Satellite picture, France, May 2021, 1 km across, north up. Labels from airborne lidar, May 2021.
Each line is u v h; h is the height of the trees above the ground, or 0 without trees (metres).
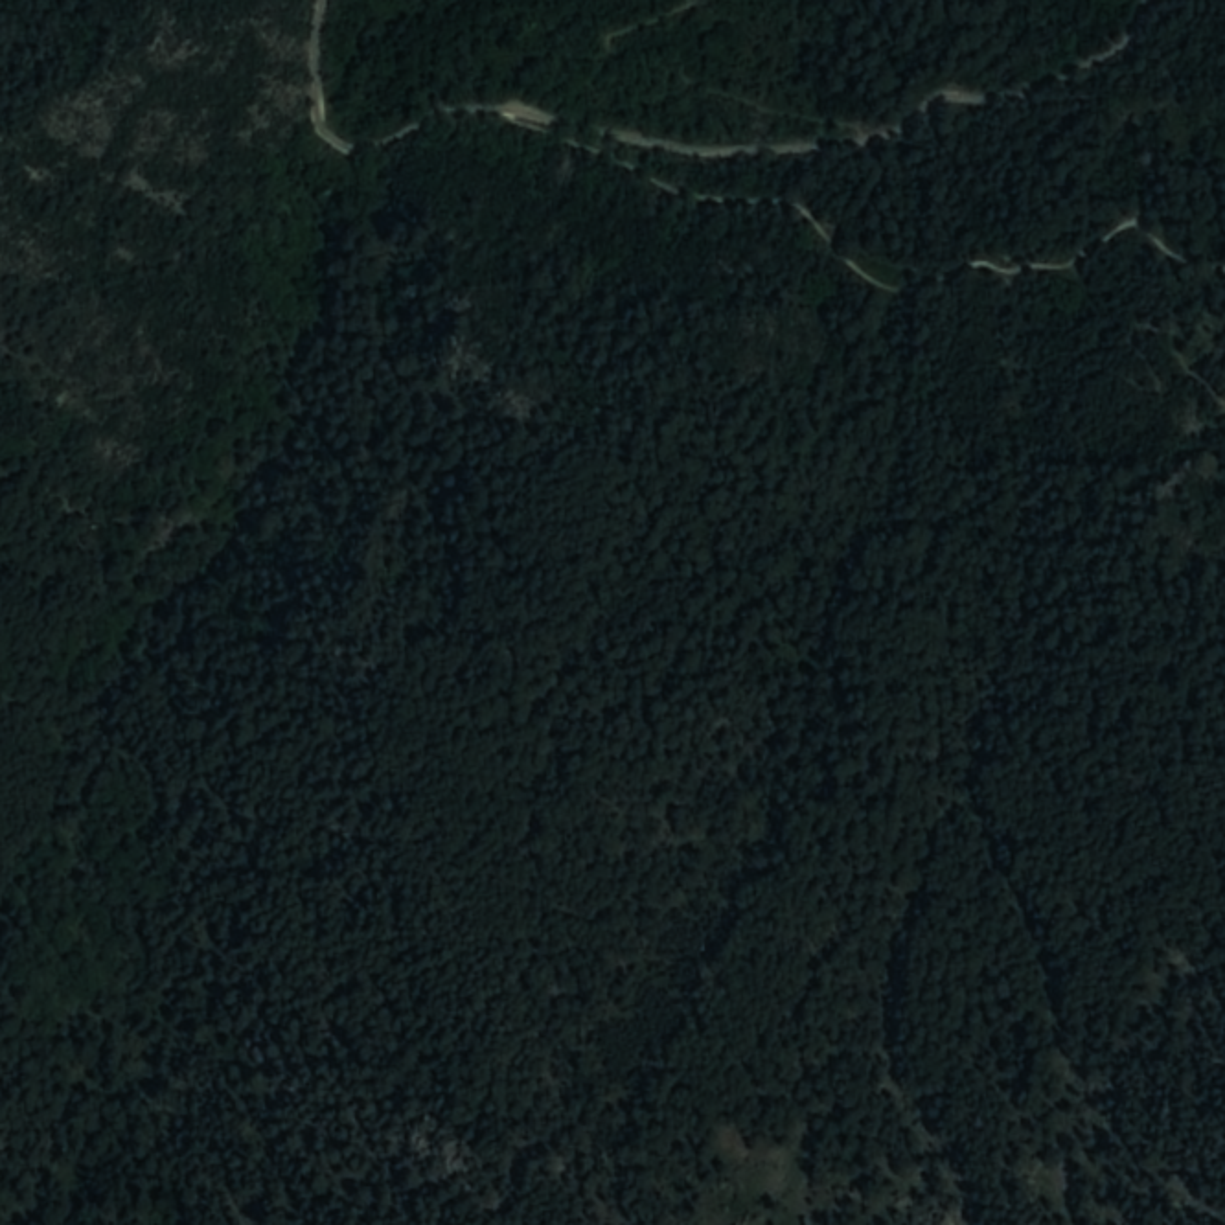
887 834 36
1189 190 32
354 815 20
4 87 14
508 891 27
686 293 7
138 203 12
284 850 32
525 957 24
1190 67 10
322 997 33
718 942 13
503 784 26
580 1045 31
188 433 17
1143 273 9
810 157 13
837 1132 27
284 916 36
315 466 30
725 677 25
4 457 16
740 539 26
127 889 21
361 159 15
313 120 12
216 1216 22
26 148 8
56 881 28
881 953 32
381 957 25
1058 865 28
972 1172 26
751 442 25
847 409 10
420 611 26
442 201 8
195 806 20
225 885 32
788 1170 0
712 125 20
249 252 21
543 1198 20
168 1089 20
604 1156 9
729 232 16
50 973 36
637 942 27
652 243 16
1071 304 22
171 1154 18
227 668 35
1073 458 17
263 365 9
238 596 10
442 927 11
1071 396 19
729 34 16
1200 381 19
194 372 8
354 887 23
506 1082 21
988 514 37
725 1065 31
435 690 29
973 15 29
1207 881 31
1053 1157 20
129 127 9
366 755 32
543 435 23
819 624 31
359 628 15
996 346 6
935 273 17
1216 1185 18
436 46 11
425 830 26
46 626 28
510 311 8
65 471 34
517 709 25
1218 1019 14
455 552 7
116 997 25
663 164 11
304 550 5
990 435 8
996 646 28
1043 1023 31
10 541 30
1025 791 30
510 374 10
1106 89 15
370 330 30
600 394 7
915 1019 31
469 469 30
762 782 28
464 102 19
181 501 25
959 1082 27
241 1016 33
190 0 7
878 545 37
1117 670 22
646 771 24
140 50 9
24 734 38
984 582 11
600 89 11
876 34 28
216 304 9
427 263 11
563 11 8
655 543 34
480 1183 15
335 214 19
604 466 25
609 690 29
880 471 24
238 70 8
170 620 43
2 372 25
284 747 35
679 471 27
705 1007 29
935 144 20
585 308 21
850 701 30
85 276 13
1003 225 17
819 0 13
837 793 37
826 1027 27
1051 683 23
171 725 32
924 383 10
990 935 30
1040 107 23
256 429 21
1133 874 32
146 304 14
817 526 20
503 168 12
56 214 8
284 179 17
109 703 18
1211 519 16
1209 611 28
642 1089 13
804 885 28
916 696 29
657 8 11
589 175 18
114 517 8
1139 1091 20
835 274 17
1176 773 28
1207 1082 15
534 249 9
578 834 22
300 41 7
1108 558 26
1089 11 17
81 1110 42
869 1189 28
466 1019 19
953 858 28
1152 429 8
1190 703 7
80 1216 17
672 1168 27
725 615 32
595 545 28
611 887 26
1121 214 21
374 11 25
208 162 6
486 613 32
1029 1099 33
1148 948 29
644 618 25
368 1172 16
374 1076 23
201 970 18
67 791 31
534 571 31
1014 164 22
